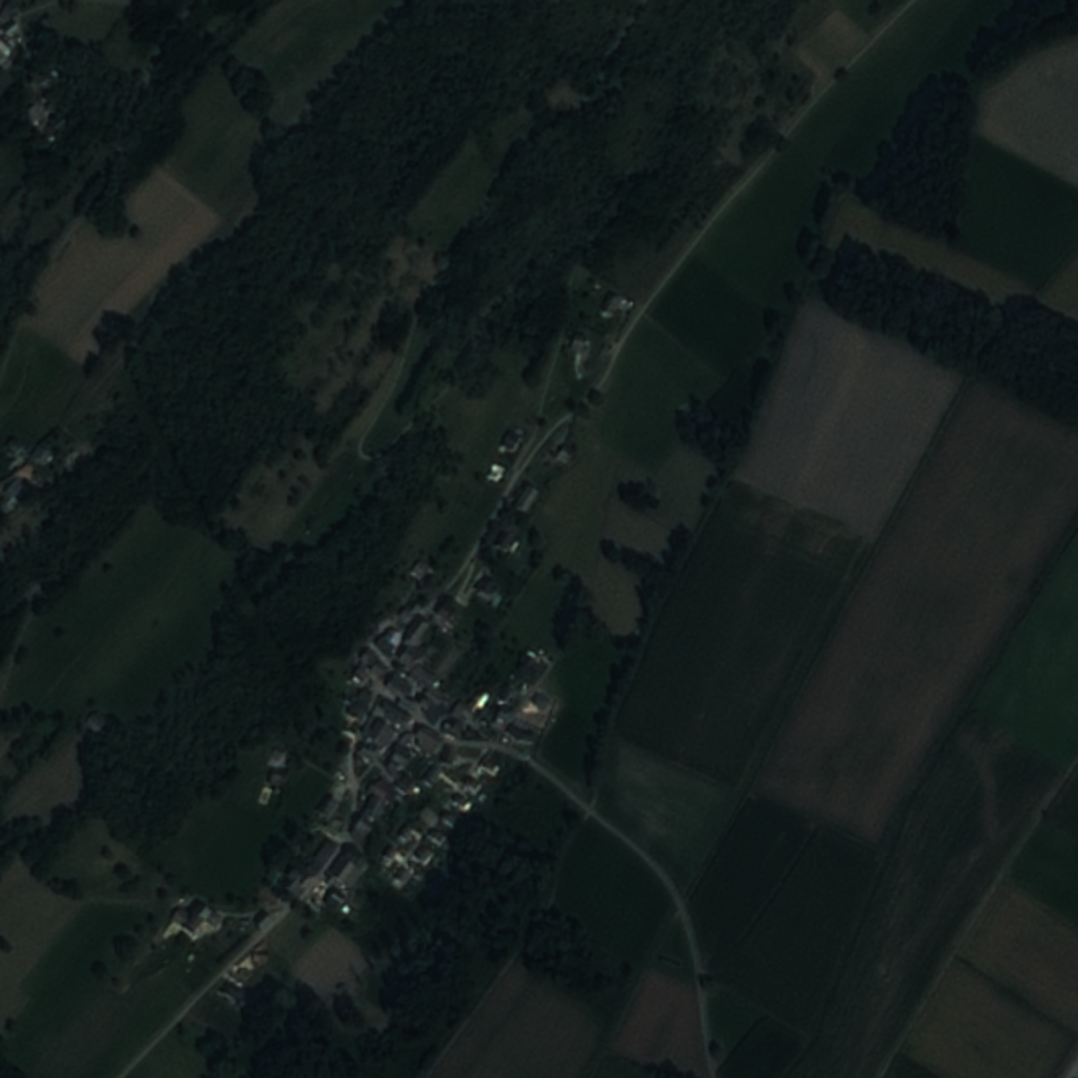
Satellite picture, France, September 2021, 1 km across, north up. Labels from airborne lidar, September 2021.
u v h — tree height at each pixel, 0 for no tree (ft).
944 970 0
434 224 0
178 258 0
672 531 0
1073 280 0
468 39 33
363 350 0
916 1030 0
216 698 44
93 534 46
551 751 0
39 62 68
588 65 37
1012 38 84
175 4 37
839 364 0
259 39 0
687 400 0
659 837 0
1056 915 0
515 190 40
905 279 70
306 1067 89
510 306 34
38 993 0
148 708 0
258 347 64
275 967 0
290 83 0
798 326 0
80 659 0
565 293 51
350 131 41
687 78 60
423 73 34
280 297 75
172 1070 0
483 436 0
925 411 0
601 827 0
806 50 0
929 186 111
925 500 0
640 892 0
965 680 0
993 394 0
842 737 0
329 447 66
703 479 0
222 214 0
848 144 0
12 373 0
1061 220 0
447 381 38
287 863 54
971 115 89
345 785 0
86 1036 0
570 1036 0
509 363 0
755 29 62
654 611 56
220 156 0
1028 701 0
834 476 0
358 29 0
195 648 0
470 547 0
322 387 52
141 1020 0
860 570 0
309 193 58
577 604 88
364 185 40
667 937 0
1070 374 78
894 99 0
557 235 35
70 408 0
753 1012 0
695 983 0
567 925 38
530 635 0
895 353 0
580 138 54
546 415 0
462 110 74
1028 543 0
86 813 56
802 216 0
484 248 46
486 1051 0
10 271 60
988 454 0
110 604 0
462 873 46
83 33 0
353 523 38
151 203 0
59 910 0
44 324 0
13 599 76
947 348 88
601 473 0
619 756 0
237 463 43
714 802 0
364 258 44
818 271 77
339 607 65
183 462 75
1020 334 85
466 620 0
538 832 0
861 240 0
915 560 0
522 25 56
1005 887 0
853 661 0
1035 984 0
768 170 0
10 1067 45
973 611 0
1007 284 0
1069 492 0
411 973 73
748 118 0
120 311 0
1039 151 0
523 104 42
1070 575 0
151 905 0
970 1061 0
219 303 82
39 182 56
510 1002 0
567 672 0
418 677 0
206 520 50
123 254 0
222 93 0
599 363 0
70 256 0
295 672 51
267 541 0
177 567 0
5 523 52
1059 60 0
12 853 64
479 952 38
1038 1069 0
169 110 62
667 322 0
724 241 0
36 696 0
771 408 0
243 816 0
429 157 62
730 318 0
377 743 0
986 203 0
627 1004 0
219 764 65
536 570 47
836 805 0
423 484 33
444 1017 80
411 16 56
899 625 0
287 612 52
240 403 64
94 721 0
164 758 67
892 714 0
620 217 43
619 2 43
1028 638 0
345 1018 76
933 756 0
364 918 0
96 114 48
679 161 35
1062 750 0
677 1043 0
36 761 39
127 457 71
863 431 0
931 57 0
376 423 0
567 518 0
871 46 0
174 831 46
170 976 0
